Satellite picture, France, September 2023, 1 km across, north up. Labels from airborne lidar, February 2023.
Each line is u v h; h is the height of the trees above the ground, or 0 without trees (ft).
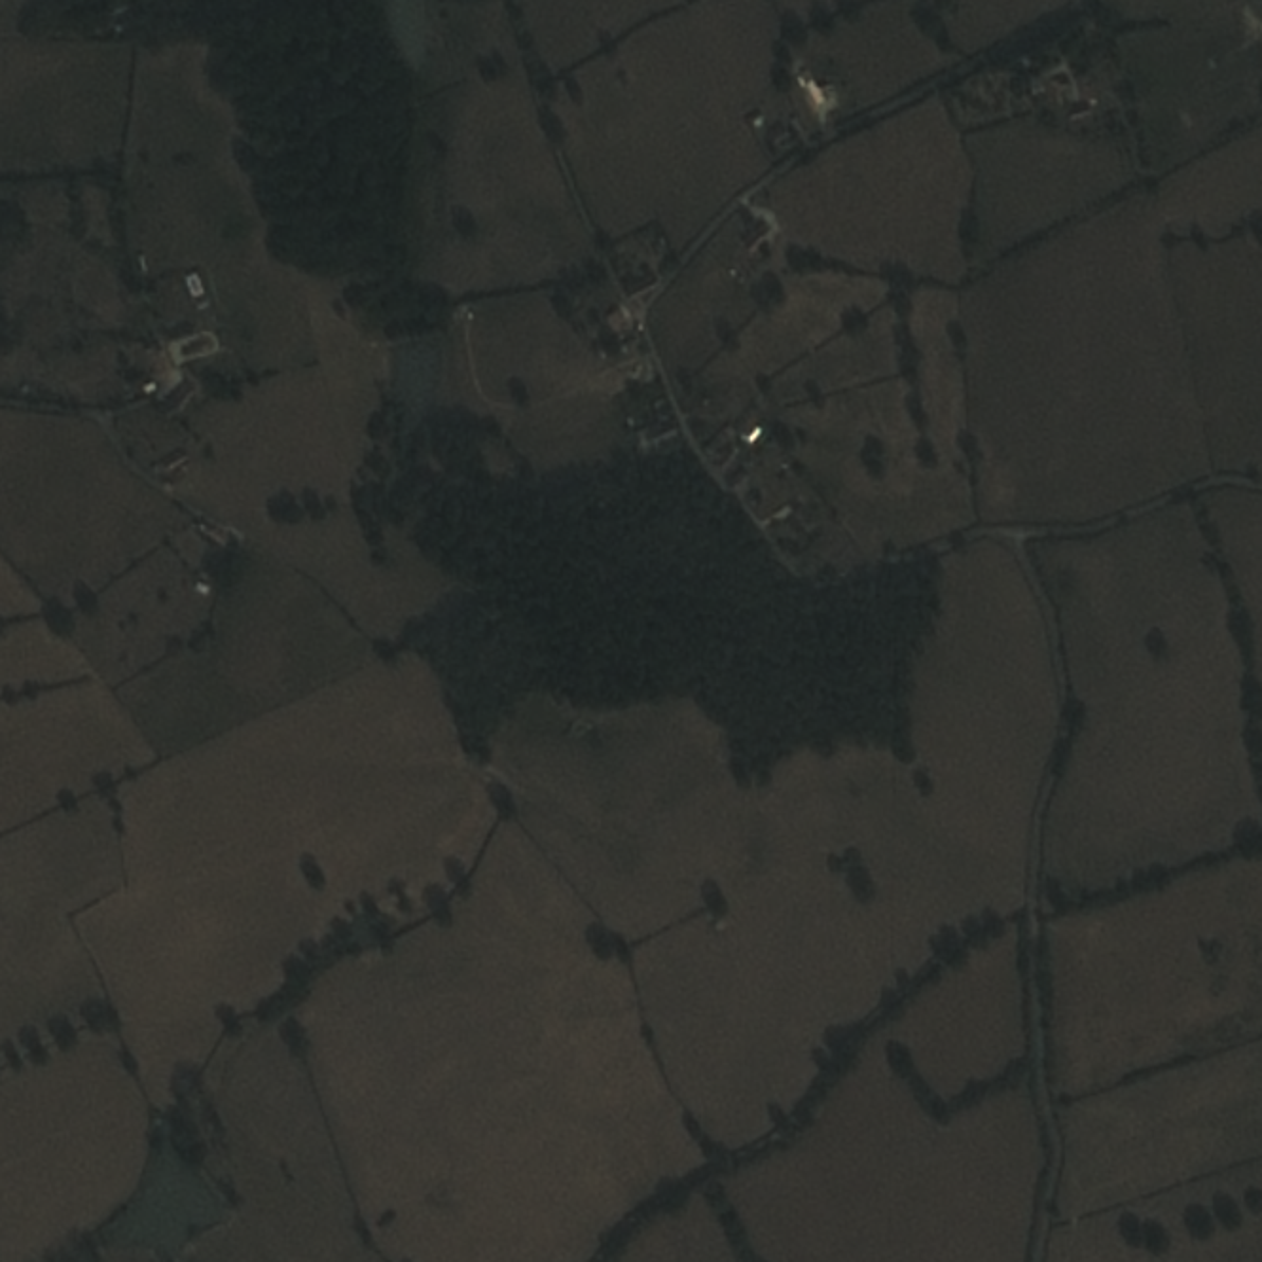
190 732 0
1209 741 0
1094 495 0
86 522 0
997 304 0
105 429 0
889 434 0
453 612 62
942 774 0
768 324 0
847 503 0
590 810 0
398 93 69
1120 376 0
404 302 52
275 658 0
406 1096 0
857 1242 0
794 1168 0
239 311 0
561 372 0
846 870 0
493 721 52
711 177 0
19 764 0
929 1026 0
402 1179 0
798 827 0
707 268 0
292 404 0
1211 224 0
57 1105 0
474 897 0
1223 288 0
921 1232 0
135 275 19
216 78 63
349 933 36
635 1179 0
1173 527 0
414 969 0
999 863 0
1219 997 0
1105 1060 0
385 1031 0
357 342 0
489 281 0
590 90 0
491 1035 0
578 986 0
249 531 0
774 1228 0
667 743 0
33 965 0
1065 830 0
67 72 0
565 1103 0
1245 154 0
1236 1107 0
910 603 67
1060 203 0
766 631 63
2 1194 0
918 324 0
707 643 66
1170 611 0
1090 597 0
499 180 0
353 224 82
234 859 0
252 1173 0
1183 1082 0
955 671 0
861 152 0
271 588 0
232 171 0
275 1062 0
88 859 0
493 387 0
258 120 69
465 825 0
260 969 0
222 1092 0
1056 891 49
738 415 0
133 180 0
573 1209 0
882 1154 0
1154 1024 0
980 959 0
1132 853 0
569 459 0
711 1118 0
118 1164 0
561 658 68
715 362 0
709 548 61
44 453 0
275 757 0
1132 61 0
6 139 0
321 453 0
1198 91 0
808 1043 0
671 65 0
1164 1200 0
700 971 0
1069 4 0
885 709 60
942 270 0
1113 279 0
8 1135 0
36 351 0
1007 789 0
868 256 0
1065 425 0
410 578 0
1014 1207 0
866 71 0
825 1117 0
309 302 0
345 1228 0
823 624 67
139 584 0
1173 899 0
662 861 0
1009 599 0
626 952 45
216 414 0
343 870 0
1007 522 0
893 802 0
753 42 0
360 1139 0
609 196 0
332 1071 0
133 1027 0
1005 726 0
